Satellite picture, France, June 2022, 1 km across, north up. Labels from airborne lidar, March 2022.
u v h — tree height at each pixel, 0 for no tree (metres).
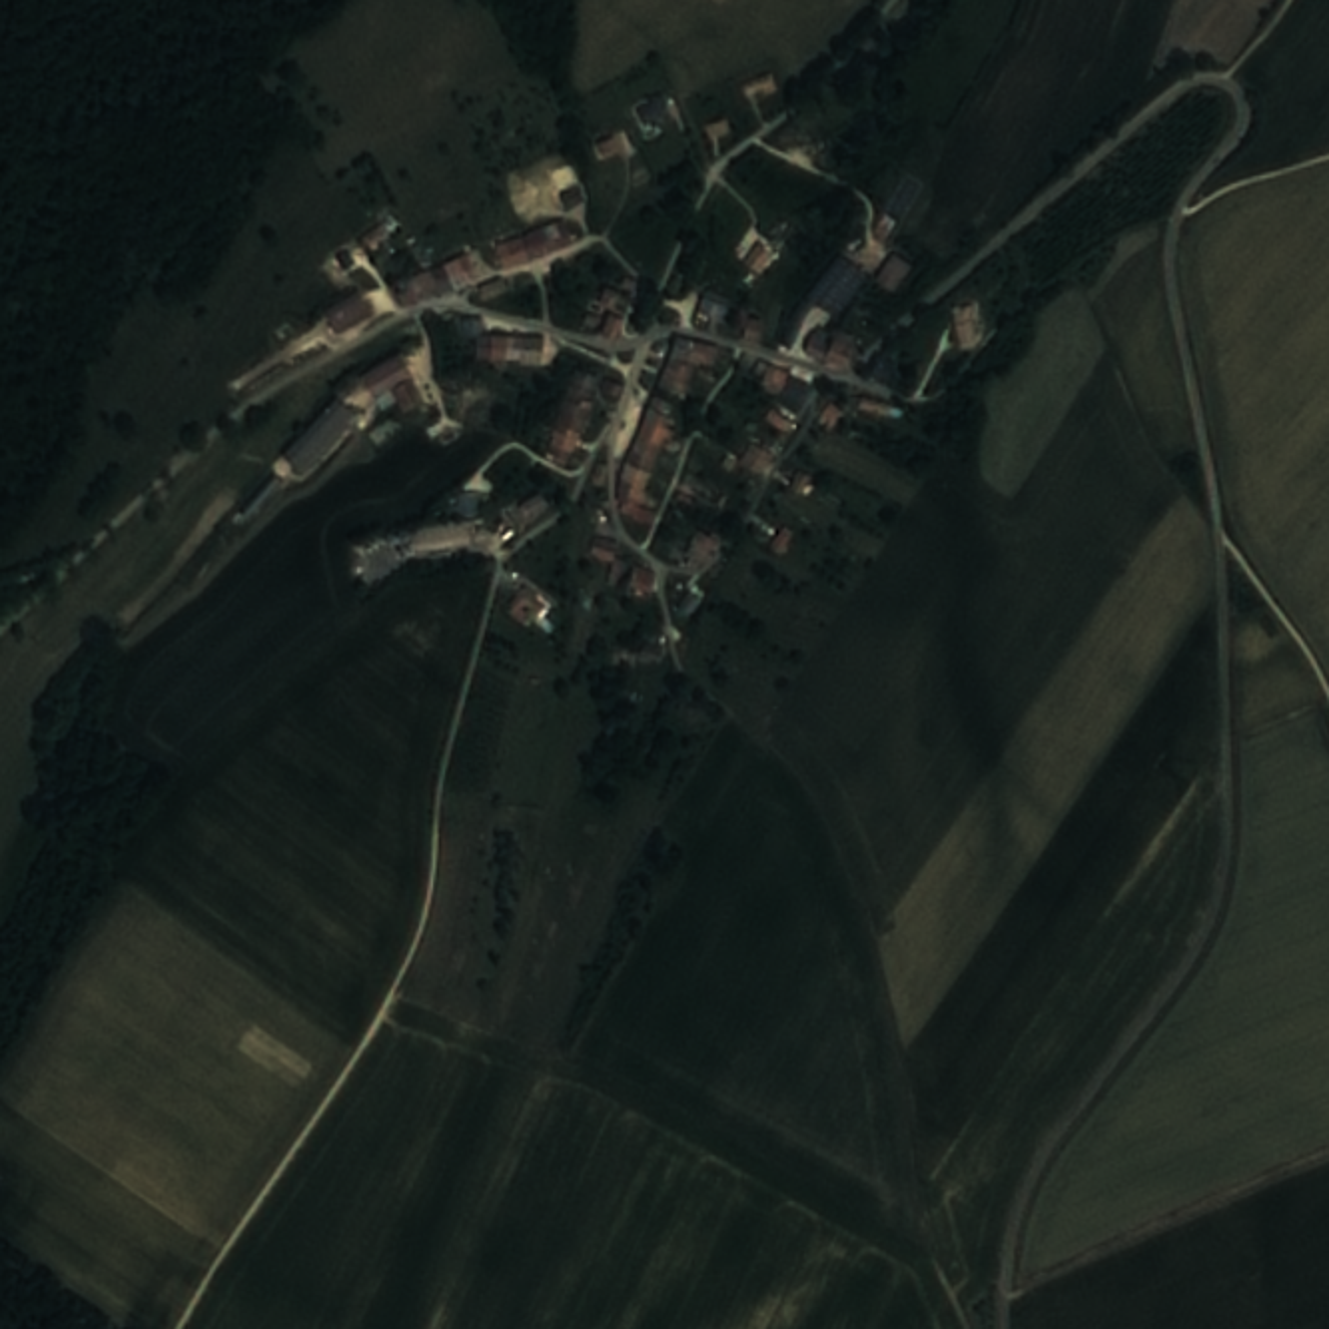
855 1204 0
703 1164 0
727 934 0
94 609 0
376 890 0
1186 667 0
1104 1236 0
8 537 18
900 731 0
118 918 0
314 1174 0
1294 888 0
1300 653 0
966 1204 0
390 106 0
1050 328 0
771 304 0
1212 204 0
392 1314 0
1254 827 0
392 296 0
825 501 0
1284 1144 0
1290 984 0
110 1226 0
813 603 0
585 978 6
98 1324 19
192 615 0
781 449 0
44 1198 0
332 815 0
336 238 0
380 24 0
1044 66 0
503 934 14
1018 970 0
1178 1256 0
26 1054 0
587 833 0
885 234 0
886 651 0
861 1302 0
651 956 0
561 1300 0
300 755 0
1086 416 0
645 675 0
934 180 0
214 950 0
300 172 0
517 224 0
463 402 0
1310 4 0
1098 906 0
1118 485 0
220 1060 0
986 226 0
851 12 0
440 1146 0
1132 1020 0
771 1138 0
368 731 0
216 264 15
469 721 0
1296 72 0
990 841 0
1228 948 0
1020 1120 0
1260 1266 0
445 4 0
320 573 0
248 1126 0
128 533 0
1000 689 0
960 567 0
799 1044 0
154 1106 0
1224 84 0
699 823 0
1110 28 0
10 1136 0
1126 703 0
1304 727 0
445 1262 0
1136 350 0
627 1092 0
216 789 0
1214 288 0
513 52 13
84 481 0
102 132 18
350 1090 0
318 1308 0
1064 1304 0
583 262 7
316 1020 0
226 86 20
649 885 16
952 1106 0
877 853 0
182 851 0
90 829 19
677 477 0
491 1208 0
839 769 0
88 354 18
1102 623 0
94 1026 0
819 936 0
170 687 0
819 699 0
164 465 0
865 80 20
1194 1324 0
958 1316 0
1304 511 0
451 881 0
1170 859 0
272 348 0
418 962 0
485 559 11
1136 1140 0
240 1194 0
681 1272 0
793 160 0
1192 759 0
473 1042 0
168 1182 0
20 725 0
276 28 21
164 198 20
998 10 0
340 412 0
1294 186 0
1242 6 0
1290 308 0
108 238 20
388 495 0
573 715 0
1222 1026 0
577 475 0
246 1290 0
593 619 0
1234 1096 0
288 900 0
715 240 7
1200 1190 0
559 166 0
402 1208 0
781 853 0
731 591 0
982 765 0
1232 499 0
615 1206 0
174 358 0
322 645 0
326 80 0
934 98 0
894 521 12
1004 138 0
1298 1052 0
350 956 0
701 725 0
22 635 10
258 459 0
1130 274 0
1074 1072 0
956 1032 0
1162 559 0
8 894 0
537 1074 0
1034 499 0
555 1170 0
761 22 0
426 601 0
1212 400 0
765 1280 0
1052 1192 0
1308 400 0
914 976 0
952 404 5
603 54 0
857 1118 0
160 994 0
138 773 12
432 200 0
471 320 0
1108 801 0
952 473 0
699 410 11
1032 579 0
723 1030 0
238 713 0
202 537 0
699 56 0
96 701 19
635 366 0
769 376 0
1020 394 0
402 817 0
